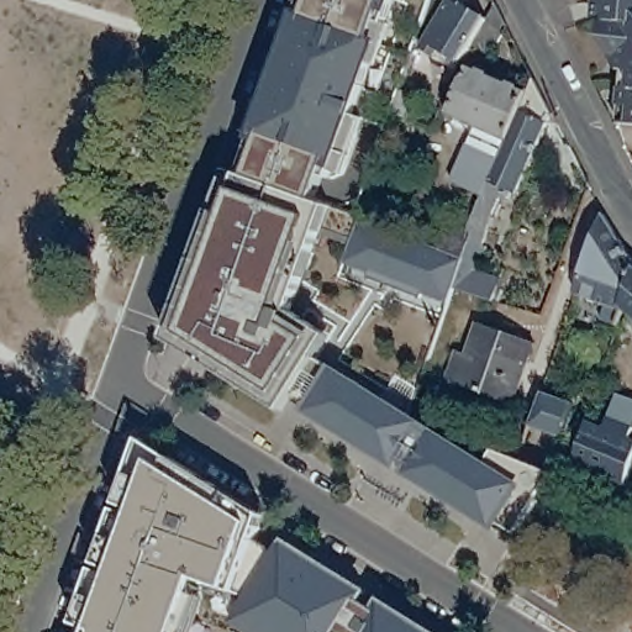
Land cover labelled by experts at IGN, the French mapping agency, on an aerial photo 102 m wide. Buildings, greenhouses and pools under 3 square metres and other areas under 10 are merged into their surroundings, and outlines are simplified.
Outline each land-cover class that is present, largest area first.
<instances>
[{"label":"building","instance_id":"1","mask_svg":"<svg viewBox=\"0 0 632 632\"><path fill-rule=\"evenodd\" d=\"M393 35L390 0H296L294 7H286L281 15L279 30L274 35L264 69L257 81V91L249 101L242 128L244 143L239 151V160L232 170L210 178V185L205 190V205L210 210L198 212L193 222V232L188 237L185 254L178 264L173 286L168 291V301L163 311H158L160 326L153 328L160 343L168 338L183 348V368L188 373L212 375L222 378L227 385L257 395L274 412L284 410L291 402L301 415L316 420L328 432L348 439L358 452L368 454L378 464L395 467L397 474H402L420 489L430 491V499L435 494H442L454 511L489 531H496L501 541L509 543L523 536L526 528L523 521L536 509L538 469L509 454H501L496 449L474 452L467 444L447 442L439 427L425 425L415 422L400 407L390 405L360 383L346 378L336 368L316 358V353L323 346H328V333L311 328L289 306V299L299 291L301 277L311 279V272L309 269L314 244L331 207L326 202L309 200L311 188L321 185V180H336L346 175L363 126L356 104L363 89L370 84L375 62H380L383 74H388L390 54L385 49V40ZM509 0H422L417 12V20L422 22L417 42V49L422 52H457L459 59L464 57L469 49L481 52L486 40L496 42V35L511 32L504 10ZM588 2V17L593 30L595 44L607 59L610 72H615V84H610V89L607 99L612 106H617L615 119L632 123V0H580ZM546 109V104L536 84L528 79L523 74H514V81H504L484 74L476 67H464L454 77L444 104V123L459 121L462 128L469 131L467 146L462 148L454 170H447L454 180V188L464 190L476 195V205L469 215L467 232L449 235L442 244L393 249L378 244L368 235V230L351 227L343 242V264L388 277L407 294L444 299V311H449L452 306L454 289L489 299L496 279L491 257L484 254V222L499 193H509L514 200L521 193V183L531 175L533 153L538 143L548 136L538 116ZM573 294H578L580 286H588L593 291V301L612 304L620 311L632 318V239H625L620 235L615 220L602 207L583 242L575 274L568 277ZM459 341L464 343L462 351L447 348V360L439 363L449 383H459L472 393L506 397L521 393V368L533 353V336L523 341L504 331L481 326L469 316L459 336ZM575 405L568 400L565 393H558L551 395L541 390L526 407V444H538L541 437H555L565 425H570ZM573 454L585 462L583 469L588 474L607 476L615 496L632 491V397L620 393L605 397L600 415L595 420L585 417L573 439ZM262 514L230 499L227 494L202 481L178 462L168 459L143 439L128 437L116 464L111 491L94 523V536L86 558L72 585L69 612L64 617V625L72 627V632H432L380 597H368L365 602H358L360 588L356 583H351L333 568L323 565L321 560L291 546L284 538H274L267 548H262L254 541L259 531Z\"/></svg>","mask_w":632,"mask_h":632},{"label":"impervious surface","instance_id":"2","mask_svg":"<svg viewBox=\"0 0 632 632\"><path fill-rule=\"evenodd\" d=\"M37 15L59 10L101 22L106 30L138 35L141 25L133 17L106 10L101 0H32ZM262 15L257 25H249L237 32V47L230 69L220 77L215 104L205 123L207 141L198 160L193 163L183 193L165 190V195L160 198V210L168 212L173 220L158 259H148L141 269L138 284L121 321L119 338L114 343L104 380L94 400L99 405V412L94 415L99 422L96 435L106 444L94 447L89 452V459L99 464L101 484L99 489L86 494L84 504H72L64 518L57 523L52 548L64 558V563L62 568L52 565L37 583L30 597L32 607L25 620V632H72V627L64 625V617L69 612L72 585L86 558L94 536V523L111 491L116 464L128 437L143 439L168 459L178 462L202 481L227 494L230 499L262 514L274 501L291 504L299 514L284 518V523L277 528L259 531L254 541L262 548H267L274 538H284L291 546L321 560L323 565L333 568L351 583H356L360 588L358 602H365L368 597H380L432 632H454V625H459V620H464L467 615L481 620L489 632H578L568 622L558 620V600L563 595L560 588L543 580L541 588L518 585L511 590L506 575L501 573L504 563L509 560V543L501 541L496 531H489L454 511L442 494H435L430 499V491L420 489L402 474H397L395 467L378 464L368 454L358 452L348 439L328 432L316 420L301 415L291 402L284 410L274 412L272 422H257L235 405L225 402L222 397L205 393L210 405L198 407L193 415H185L180 400L173 395L175 388L185 395L190 385L205 388L212 375L188 373L183 368V348L168 338L160 343L153 328L160 326L158 311H163L168 301V291L173 286L178 264L185 254L188 237L193 232V222L198 212L210 210L205 205V190L210 185V178L232 170L239 160V151L244 143L242 128L249 101L257 91V81L264 69L274 35L279 30L281 15L286 7H294L296 0H252ZM296 427L314 430L318 439L328 444H341L346 454L328 457L323 462L309 449H301L294 442ZM348 479L351 496L346 506H331L326 499L331 494V486L346 484ZM412 499H422L427 504L435 501L442 506L444 514L439 518H432L430 523L420 521L407 511ZM467 560H479V578L462 588L452 573H457L459 565H464ZM504 10L511 32L521 52L526 54L528 79L536 84L546 104V109L538 116L548 136L560 156V170L568 178L570 188L580 195V200L585 210L570 242L568 267L558 269V286L553 289L543 314V333L533 341V353L521 368V393L506 397L509 402H523L526 407L541 390L551 395L558 393L551 383L541 378V373H546L565 301L570 299L578 304L580 321L573 323L575 331H590L612 323L615 314L620 311L612 304L593 301V291L588 286H580L578 294H573L568 277L575 274L583 242L602 207L615 220L620 235L625 239H632V123L615 119L617 106H612L607 99L610 89L593 86L588 72L590 67L583 64V59L573 52V42L568 44L560 35V30L570 27H578L583 32L593 30L588 17V2L580 0H509ZM464 67H469L464 57L459 59L457 52H422L417 49V42L412 40L405 54H390L388 74H383L380 62H375L370 84H383L393 94L390 101L397 116L407 114L402 96L417 89H430V96L444 104L454 77ZM375 143V126H363L346 175L336 180H321V185L311 188L309 200L326 202L331 207L348 212L353 202L363 200V193H358L360 168L365 153ZM514 200L509 193H499L484 222V254L491 257L494 252H501L499 242L504 239L511 222ZM94 237L91 252V259L96 264V279L109 281V247L106 222L99 215H91L84 222ZM356 277V281L363 289L360 304L353 309V314L343 316L326 299L311 279L301 277L299 291L289 299V306L311 328L328 333V346H323L316 353V358L336 368L346 378L360 383L390 405L400 407L415 422L425 425L420 405L412 400L417 390V383L400 375H390L388 383L383 375L373 370H353L341 348L356 346L360 333L370 326L373 311H378L380 306L385 316L393 318L400 316L402 306L417 311L425 309V314L435 316L444 311V299L407 294L388 277L343 264V279ZM96 321V309L91 304L84 311L69 316L62 338L67 348L57 356L54 363L44 360L40 365L30 360L22 351L17 356L0 341V363L27 375L35 385V395L40 397H59L67 390L81 393L84 388L86 365L79 356L91 323Z\"/></svg>","mask_w":632,"mask_h":632},{"label":"deciduous trees","instance_id":"3","mask_svg":"<svg viewBox=\"0 0 632 632\"><path fill-rule=\"evenodd\" d=\"M262 15L252 0H133V17L141 25L138 35L163 37L165 52L151 69H128L111 74L106 77V84H101L94 91L91 101L96 109L86 111L84 116V136L74 143L77 156L72 163V173H64V180L54 193L57 205L67 215L79 217L84 222L91 215H99L106 222L109 247L136 252L148 259H158L173 220L168 212L160 210V198L165 195V190L183 193L193 163L198 160L207 141L205 123L215 104L220 77L230 69L237 47V32L249 25H257ZM393 35L385 40V49L390 54H405L412 40L417 42L422 22L417 20V12L422 0H390ZM393 94L383 84H370L363 89L356 104L363 126H375V143L365 153L360 168L358 193H363V200L353 202L348 212L351 227L368 230V235L378 244L393 249L442 244L449 235L467 232L469 215L476 205V195L464 190L459 198L439 200L432 190L439 183L437 153L432 151V146L420 148L417 153H407L405 143L400 141L405 131H415L432 138L435 133L444 131V104L430 96V89H417L402 96L407 114L397 116L390 101ZM580 200V195L570 188L568 178L560 170V156L548 136L538 143L533 153L531 175L521 183V193L514 200L511 222L518 227L533 225L536 230H541L543 220L538 217L548 207L575 210V202ZM568 239V230L558 227L548 230V252H560ZM32 296L40 301L44 316H69L84 311L91 304L96 279V264L91 259V252L79 257L72 249L54 244L42 247V254L37 259H30ZM326 299L338 296V284L326 281L321 272H311V279ZM580 321L578 304L570 299L565 301L546 373H541V378L551 383L558 393H565L568 400L575 405L583 407L585 417L595 420L600 415L605 397L620 393L625 385L620 380V370L615 368V358L620 348V333L612 328V323L590 331H575L573 323ZM412 360L397 363L400 375L417 383V378L427 375L432 368V363L427 360V346H415ZM227 385L222 378L212 375L205 388L190 385L185 395L175 388L173 395L180 400L185 415H193L198 407L210 405L205 393L222 397ZM99 412V405L94 400H86L84 388L81 393L67 390L59 397H40L27 415L15 412V405L10 400H0V632H25V620L32 607L30 597L37 583L52 565L62 568L64 563V558L52 548L57 523L64 518L72 504H84L86 494L99 489L101 484L99 464L89 459V452L94 447L106 444L96 435L99 422L94 415ZM412 400L420 405L425 425L439 427L447 442L467 444L474 452L496 449L501 454H509L526 444V407L523 402H509L504 407H494L432 395L425 397L417 390ZM318 439L314 430L296 427L294 442L301 449H309ZM536 509H543L553 516V528L563 531L570 541L575 536L602 538L607 543H617L620 548L632 541V491L615 496L607 476L588 474L583 469H575L568 462V457L555 454L546 457L538 469ZM351 496L348 479L346 484L331 486V494L326 499L331 506H346ZM299 514L291 504L274 501L262 514L259 531L277 528L284 523V518ZM462 588L479 578V560H467L464 565H459L457 573H452ZM454 632H489L481 620L467 615L464 620H459V625H454Z\"/></svg>","mask_w":632,"mask_h":632},{"label":"herbaceous vegetation","instance_id":"4","mask_svg":"<svg viewBox=\"0 0 632 632\"><path fill-rule=\"evenodd\" d=\"M165 52L163 37L138 35L106 30L101 22L59 10L37 15L32 0H0V341L17 356L22 351L30 360L40 365L44 360L54 363L57 356L67 348L62 338L69 316H44L40 301L32 296L30 259H37L42 254V247L54 244L72 249L79 257L91 252L94 237L84 222L79 217L67 215L57 205L54 193L64 180V173H72V163L77 156L74 143L84 136V116L86 111L96 109L91 101L94 91L101 84H106V77L111 74L128 69H151ZM106 10L133 17V0H101ZM560 35L568 44L573 42V52L583 59V64L590 67L588 72L593 86L610 89V84H615V72H610L607 59L595 44L593 30L583 32L578 27H570L560 30ZM469 67H476L484 74L504 81H514V74H523L528 79L526 54L521 52L511 32L496 35V42L486 40L481 52L469 49L464 57ZM469 131L462 128L459 121L444 123V131L435 133L432 138L415 131H405L400 141L405 143L407 153H417L420 148L432 146V151L437 153L439 183L432 190L439 200L459 198L464 190L454 188V180L447 170H454L462 148L467 146ZM585 210L580 200L575 202V210L548 207L538 217L543 220L541 230H536L533 225L518 227L511 222L504 239L499 242L501 252H494L491 257L496 279L489 299L454 289L452 306L449 311H444L435 316L425 314V309L417 311L402 306L400 316L393 318L385 316L380 306L378 311H373L370 326L360 333L356 346L341 348L353 370H373L383 375L388 383L390 375H400L397 363L412 360L415 346H427V360L432 363V368L427 375L417 378V390L425 397L432 395L494 407H504L509 402L506 397L472 393L459 383H449L439 363L447 360V348L462 351L464 343L459 341V336L469 316L481 326L504 331L523 341L533 336V341L543 333V314L514 309L504 304L501 296L511 279H523L531 272L541 277L531 284L533 291H541L546 286L553 289L558 286V269L568 267L570 242ZM558 227L568 230V239L560 252H548V230ZM351 227L348 212L331 207L314 244L309 269L311 272H321L326 281L338 284V296L326 299L343 316L353 314V309L360 304L363 289L356 281V277L343 279V242ZM148 259L136 252L109 247V281L96 279L91 304L96 309V321L91 323L79 356L86 365L84 388L86 400H94L104 380L114 343L119 338L121 321L138 284L141 269ZM612 328L620 333V348L615 358V368L620 370V380L625 385L620 393L632 397V318L620 311L615 314L612 323ZM0 400H10L15 405V412L27 415L40 397L35 395V385L27 375L0 363ZM225 402L235 405L257 422H272L274 412L257 395L227 385L222 397ZM585 417L583 407L575 405L570 425H565L555 437H541L538 444H526L509 454L538 469L546 457L555 454L568 457V462L575 469H583L585 462L573 454V439ZM323 462L328 457L346 454L341 444H328L318 439L309 449ZM407 511L420 521L430 523L432 518H439L444 514L442 506L435 501L427 504L422 499H412ZM536 523L543 528H553V516L543 509H536L523 521L526 528ZM573 558L583 560L593 555H610L617 563H627L632 568V541L620 548L617 543H607L602 538L575 536L570 541Z\"/></svg>","mask_w":632,"mask_h":632},{"label":"coniferous trees","instance_id":"5","mask_svg":"<svg viewBox=\"0 0 632 632\"><path fill-rule=\"evenodd\" d=\"M501 573L506 575L511 590L518 585L541 588L543 580L560 588L563 595L558 600V620L568 622L578 632H632V568L627 563H617L610 555H593L583 560L573 558L570 541L563 531L553 528H543L536 523L526 528L523 536L509 543V560L504 563Z\"/></svg>","mask_w":632,"mask_h":632},{"label":"brushwood","instance_id":"6","mask_svg":"<svg viewBox=\"0 0 632 632\"><path fill-rule=\"evenodd\" d=\"M541 277L531 272L523 279H511L501 296L504 304L514 309L543 314L553 289L546 286L541 291H533L531 284Z\"/></svg>","mask_w":632,"mask_h":632}]
</instances>
